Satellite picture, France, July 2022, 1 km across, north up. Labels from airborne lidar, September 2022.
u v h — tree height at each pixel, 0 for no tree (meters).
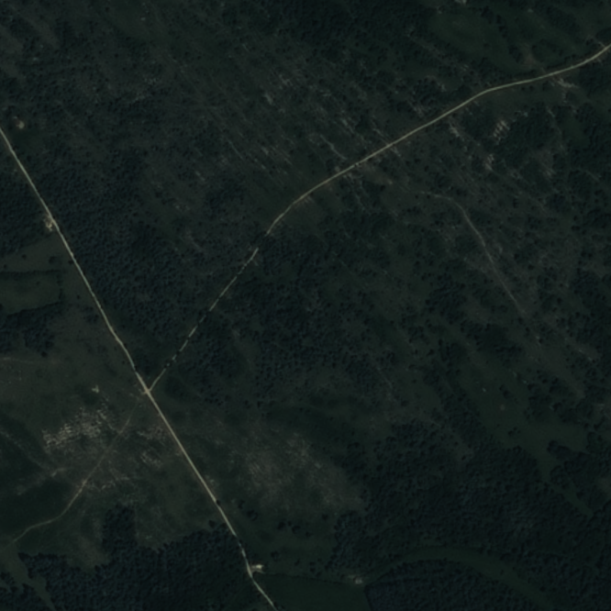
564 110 6
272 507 0
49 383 0
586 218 6
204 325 6
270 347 11
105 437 0
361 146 0
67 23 6
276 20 11
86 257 11
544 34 0
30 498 0
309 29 10
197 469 0
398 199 0
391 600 18
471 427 6
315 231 0
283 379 10
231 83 0
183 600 17
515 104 0
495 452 6
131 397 0
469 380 0
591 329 6
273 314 18
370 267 0
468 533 15
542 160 0
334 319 6
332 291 0
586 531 11
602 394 6
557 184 9
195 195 0
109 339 0
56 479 0
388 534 9
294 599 0
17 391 0
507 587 10
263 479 0
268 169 0
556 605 8
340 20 11
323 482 0
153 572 16
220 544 21
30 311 6
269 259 8
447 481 8
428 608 18
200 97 0
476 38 0
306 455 0
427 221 0
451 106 0
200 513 0
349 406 0
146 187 0
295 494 0
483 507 16
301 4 10
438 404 0
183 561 7
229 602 7
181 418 0
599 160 10
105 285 15
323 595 0
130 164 7
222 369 14
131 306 9
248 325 7
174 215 0
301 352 11
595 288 9
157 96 13
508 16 0
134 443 0
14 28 11
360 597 0
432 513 20
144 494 0
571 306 0
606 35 6
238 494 0
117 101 9
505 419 0
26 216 7
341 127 0
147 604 14
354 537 17
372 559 12
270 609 7
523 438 0
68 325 0
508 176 0
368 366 7
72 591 16
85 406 0
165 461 0
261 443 0
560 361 0
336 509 0
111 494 0
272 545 0
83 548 0
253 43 0
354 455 6
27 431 0
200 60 6
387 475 9
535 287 0
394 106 6
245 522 0
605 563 13
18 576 0
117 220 7
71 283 0
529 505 15
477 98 0
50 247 0
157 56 0
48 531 0
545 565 6
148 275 10
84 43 11
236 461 0
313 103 0
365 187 6
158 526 0
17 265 0
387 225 6
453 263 6
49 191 9
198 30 0
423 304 0
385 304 0
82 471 0
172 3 0
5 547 0
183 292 5
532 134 12
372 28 8
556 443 12
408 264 0
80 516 0
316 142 0
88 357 0
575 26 7
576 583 8
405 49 6
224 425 0
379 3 12
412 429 16
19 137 0
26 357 0
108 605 13
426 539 7
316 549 0
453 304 7
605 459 17
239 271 6
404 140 0
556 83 0
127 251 12
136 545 17
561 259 0
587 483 19
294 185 0
